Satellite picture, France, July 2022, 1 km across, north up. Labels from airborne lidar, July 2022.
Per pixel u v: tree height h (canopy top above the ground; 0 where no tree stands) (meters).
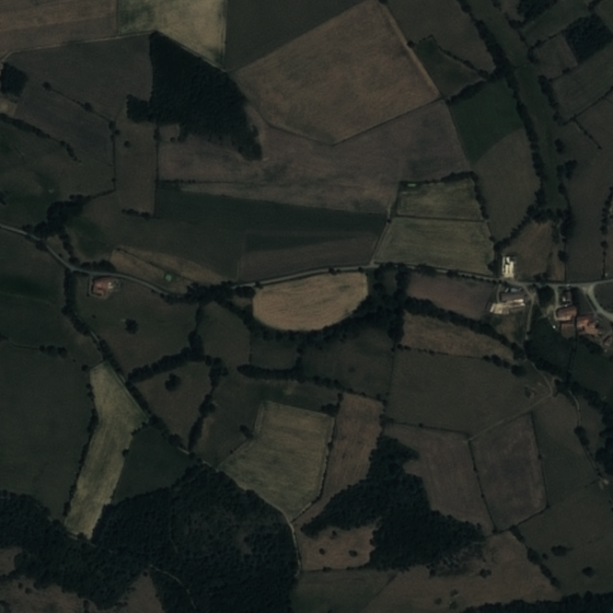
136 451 0
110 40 0
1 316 0
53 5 0
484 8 0
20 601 0
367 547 0
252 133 0
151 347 0
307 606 0
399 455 11
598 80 0
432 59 0
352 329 20
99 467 0
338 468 0
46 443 0
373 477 8
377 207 0
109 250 0
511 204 0
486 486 0
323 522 6
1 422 0
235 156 0
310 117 0
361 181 0
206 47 0
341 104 0
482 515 0
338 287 0
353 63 0
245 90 0
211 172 0
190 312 0
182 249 0
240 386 0
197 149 0
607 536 0
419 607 0
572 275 0
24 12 0
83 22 0
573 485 0
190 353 21
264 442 0
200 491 9
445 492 0
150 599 0
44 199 0
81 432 0
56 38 0
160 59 11
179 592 12
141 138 0
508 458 0
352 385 0
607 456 22
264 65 0
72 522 0
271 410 0
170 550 11
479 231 0
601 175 0
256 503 7
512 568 0
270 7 0
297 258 0
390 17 0
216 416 0
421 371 0
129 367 0
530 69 0
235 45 0
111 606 7
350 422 0
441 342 0
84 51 0
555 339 0
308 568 0
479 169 0
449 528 14
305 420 0
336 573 0
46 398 0
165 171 0
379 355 0
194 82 12
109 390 0
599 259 0
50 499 0
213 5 0
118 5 0
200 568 7
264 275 0
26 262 0
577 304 11
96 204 0
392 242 0
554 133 0
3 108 0
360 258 0
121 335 0
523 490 0
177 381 19
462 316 9
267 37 0
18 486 0
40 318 0
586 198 0
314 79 0
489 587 0
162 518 8
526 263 0
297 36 0
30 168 0
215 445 0
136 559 23
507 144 0
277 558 9
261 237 0
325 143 0
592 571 15
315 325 0
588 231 0
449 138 0
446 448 0
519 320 0
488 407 0
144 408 12
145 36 0
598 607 21
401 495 19
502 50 22
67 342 0
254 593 12
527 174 0
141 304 0
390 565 9
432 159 0
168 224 0
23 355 0
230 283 9
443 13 0
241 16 0
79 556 6
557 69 0
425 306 27
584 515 0
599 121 0
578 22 8
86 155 0
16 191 0
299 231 0
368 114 0
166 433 11
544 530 0
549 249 0
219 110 10
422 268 16
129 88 0
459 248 0
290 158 0
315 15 0
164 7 0
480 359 0
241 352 0
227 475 13
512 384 0
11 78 17
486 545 0
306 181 0
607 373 0
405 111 0
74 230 0
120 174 0
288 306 0
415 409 0
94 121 0
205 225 0
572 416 0
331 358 0
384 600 0
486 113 0
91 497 0
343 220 0
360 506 6
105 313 0
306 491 0
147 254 0
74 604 0
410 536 8
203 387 0
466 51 0
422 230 0
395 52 0
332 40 0
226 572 6
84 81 0
